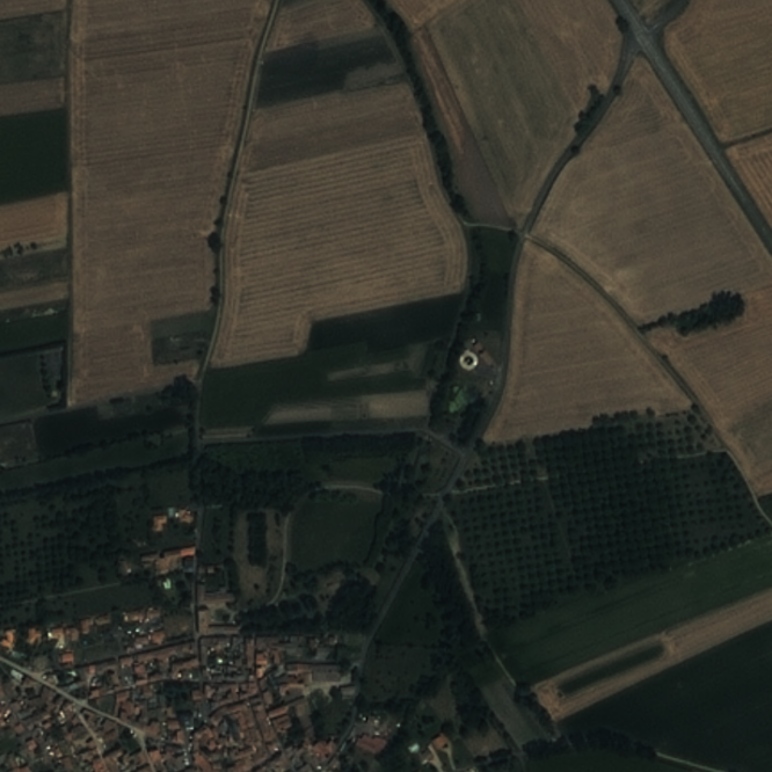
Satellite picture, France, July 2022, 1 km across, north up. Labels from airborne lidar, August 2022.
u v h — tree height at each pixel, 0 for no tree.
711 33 0
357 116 0
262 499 17
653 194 0
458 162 0
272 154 0
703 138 0
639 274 0
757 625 0
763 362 0
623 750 27
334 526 0
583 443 12
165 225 0
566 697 0
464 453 0
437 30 0
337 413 0
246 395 0
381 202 0
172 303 0
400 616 0
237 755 0
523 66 0
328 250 0
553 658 0
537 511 9
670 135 0
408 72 8
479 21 0
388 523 8
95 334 0
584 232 0
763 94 0
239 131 0
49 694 0
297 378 0
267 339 0
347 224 0
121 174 0
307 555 0
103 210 0
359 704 18
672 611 0
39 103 0
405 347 0
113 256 0
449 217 0
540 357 0
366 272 0
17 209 0
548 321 0
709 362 0
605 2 0
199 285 0
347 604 16
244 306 0
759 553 0
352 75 0
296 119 0
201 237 0
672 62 0
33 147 0
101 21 0
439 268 0
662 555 13
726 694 0
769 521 0
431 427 8
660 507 14
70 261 0
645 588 0
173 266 0
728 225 0
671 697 0
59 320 0
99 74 0
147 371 0
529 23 0
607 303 0
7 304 0
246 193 0
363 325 0
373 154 0
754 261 0
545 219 0
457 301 0
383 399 0
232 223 0
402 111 0
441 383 11
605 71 0
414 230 0
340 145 0
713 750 0
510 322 0
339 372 0
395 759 19
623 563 13
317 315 0
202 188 0
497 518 8
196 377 0
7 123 0
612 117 0
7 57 0
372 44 0
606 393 0
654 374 0
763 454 0
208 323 0
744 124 0
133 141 0
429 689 19
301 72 0
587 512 11
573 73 0
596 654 0
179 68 0
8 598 7
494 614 11
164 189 0
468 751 0
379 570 13
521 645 0
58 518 10
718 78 0
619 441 13
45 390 11
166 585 0
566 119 0
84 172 0
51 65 0
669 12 0
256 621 8
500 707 0
